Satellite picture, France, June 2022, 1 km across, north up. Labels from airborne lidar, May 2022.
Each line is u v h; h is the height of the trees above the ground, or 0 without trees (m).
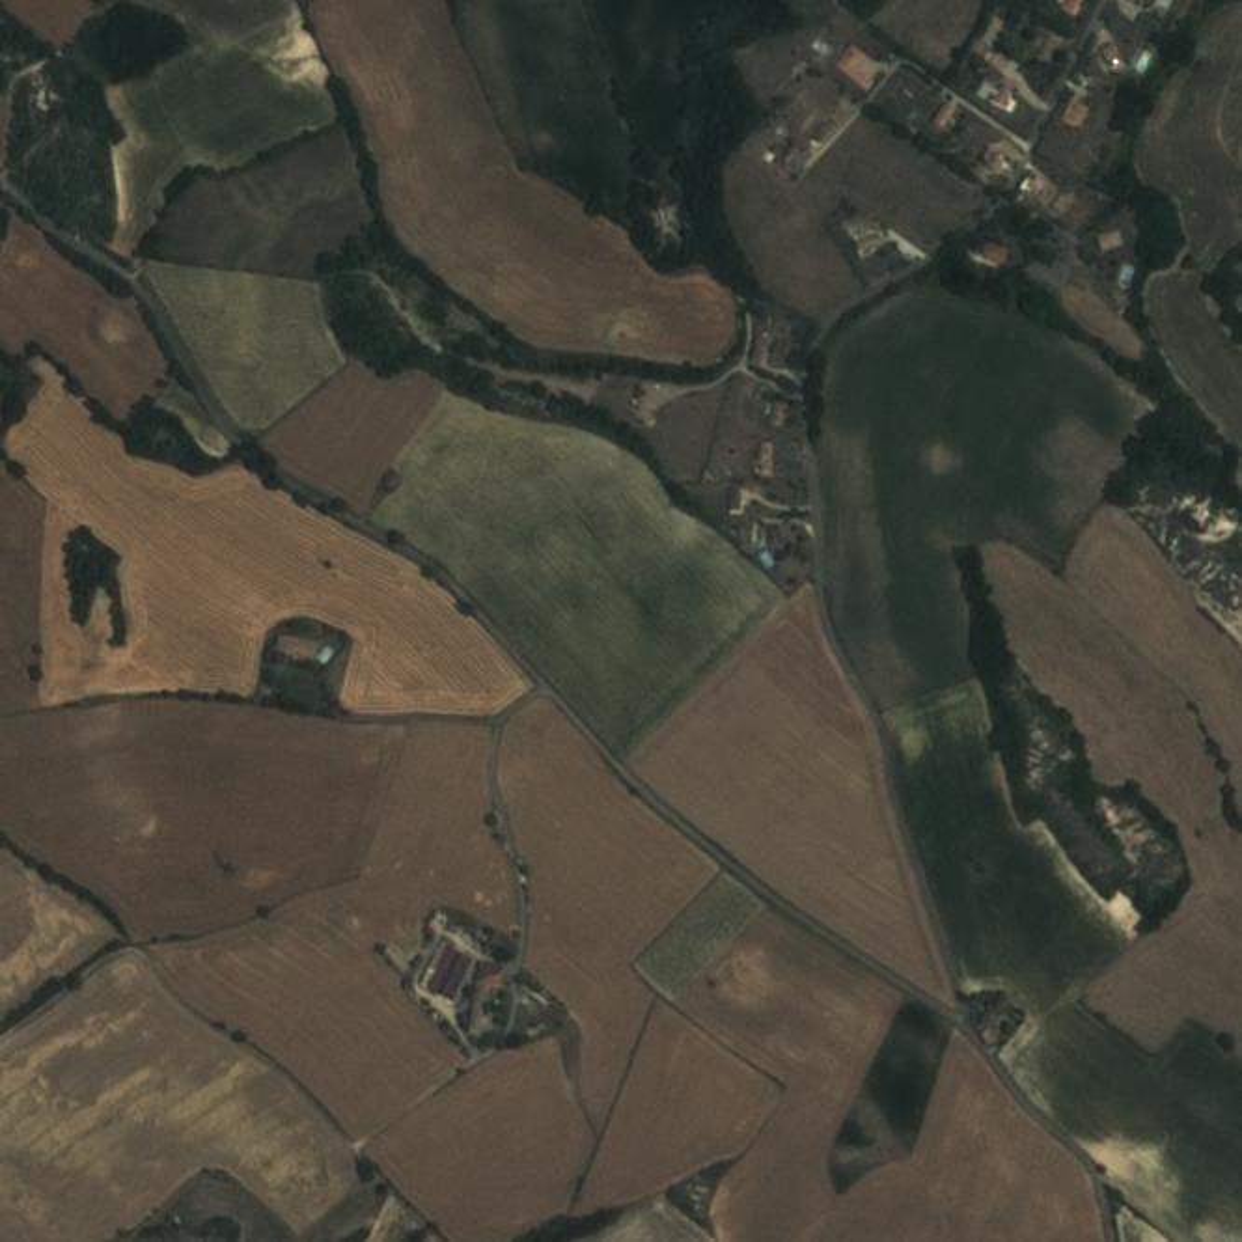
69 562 8
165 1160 0
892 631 0
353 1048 0
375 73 0
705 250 10
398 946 0
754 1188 0
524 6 0
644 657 0
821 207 0
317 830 0
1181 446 12
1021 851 0
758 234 0
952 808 0
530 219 0
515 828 0
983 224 8
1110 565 0
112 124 8
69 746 0
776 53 0
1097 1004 0
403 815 0
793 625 0
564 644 0
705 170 13
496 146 0
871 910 0
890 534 0
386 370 9
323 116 0
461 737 0
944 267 10
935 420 0
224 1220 8
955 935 0
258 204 0
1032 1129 0
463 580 0
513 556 0
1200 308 0
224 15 0
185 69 0
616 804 0
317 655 0
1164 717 0
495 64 0
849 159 0
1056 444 0
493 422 0
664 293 0
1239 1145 0
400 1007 0
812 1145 0
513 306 0
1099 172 6
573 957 0
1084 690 0
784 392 7
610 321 0
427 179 0
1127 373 14
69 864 0
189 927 0
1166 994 0
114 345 0
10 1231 0
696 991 0
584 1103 0
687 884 0
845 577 0
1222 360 0
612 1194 0
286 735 0
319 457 0
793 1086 0
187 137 0
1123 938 0
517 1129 0
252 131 0
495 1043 10
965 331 0
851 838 0
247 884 0
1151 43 8
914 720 0
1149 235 10
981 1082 0
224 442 0
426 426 0
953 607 0
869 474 0
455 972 0
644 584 0
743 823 0
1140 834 0
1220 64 0
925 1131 0
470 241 0
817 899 0
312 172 0
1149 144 0
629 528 0
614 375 7
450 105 0
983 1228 0
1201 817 0
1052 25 10
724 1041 0
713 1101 0
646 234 11
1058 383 0
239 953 0
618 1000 0
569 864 0
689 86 14
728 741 0
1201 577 0
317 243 0
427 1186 0
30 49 10
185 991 0
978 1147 0
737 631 0
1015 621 0
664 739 0
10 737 0
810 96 0
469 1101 0
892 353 0
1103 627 0
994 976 0
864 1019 0
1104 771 0
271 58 0
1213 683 0
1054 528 0
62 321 0
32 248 0
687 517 0
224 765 0
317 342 0
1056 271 0
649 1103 0
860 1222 0
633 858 0
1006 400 0
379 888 0
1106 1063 0
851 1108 0
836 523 0
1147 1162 0
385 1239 0
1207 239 0
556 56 0
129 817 0
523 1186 0
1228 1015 0
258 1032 0
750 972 0
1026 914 0
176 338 0
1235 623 0
